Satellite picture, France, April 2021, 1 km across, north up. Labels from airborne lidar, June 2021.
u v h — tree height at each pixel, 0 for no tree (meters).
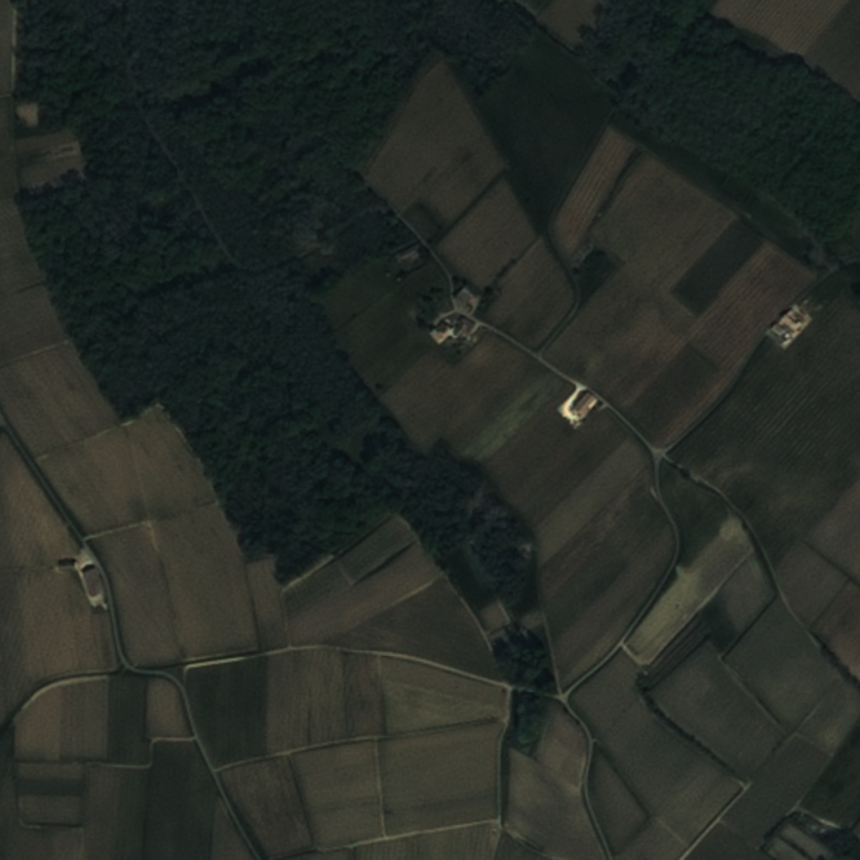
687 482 14
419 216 0
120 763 0
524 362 0
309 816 0
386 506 26
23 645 0
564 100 0
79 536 0
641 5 16
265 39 21
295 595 0
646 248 0
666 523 0
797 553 0
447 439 0
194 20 19
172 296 21
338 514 27
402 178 0
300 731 0
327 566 0
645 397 0
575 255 0
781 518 0
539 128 0
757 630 0
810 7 0
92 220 29
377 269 0
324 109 17
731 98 21
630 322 0
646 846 0
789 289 0
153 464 0
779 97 28
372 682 0
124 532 0
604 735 0
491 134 0
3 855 0
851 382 0
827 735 0
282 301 20
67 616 0
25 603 0
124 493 0
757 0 0
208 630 0
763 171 21
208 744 0
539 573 0
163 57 17
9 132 0
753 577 0
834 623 0
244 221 16
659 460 0
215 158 28
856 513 0
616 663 0
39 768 0
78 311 20
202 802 0
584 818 0
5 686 0
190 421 18
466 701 0
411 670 0
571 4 0
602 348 0
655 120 26
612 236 0
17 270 0
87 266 20
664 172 0
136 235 23
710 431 0
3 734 0
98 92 21
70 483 0
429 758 0
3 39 0
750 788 0
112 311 20
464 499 18
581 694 0
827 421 0
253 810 0
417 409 0
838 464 0
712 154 20
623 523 0
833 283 0
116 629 0
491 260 0
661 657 0
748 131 24
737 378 0
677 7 26
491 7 19
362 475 18
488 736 0
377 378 0
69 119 17
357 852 0
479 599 0
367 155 19
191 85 26
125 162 21
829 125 20
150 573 0
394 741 0
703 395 0
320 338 20
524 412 0
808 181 22
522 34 20
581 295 0
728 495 0
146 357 24
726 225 0
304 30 24
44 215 26
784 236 0
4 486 0
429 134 0
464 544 17
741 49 21
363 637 0
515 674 27
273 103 22
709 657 0
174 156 16
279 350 19
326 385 20
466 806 0
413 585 0
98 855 0
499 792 0
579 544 0
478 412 0
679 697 0
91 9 20
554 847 0
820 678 0
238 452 20
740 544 0
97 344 18
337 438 19
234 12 19
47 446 0
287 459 24
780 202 15
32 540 0
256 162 22
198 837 0
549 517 0
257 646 0
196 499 0
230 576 0
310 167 17
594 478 0
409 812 0
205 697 0
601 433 0
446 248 0
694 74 24
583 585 0
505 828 0
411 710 0
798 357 0
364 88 24
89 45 25
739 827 0
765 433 0
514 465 0
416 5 22
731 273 0
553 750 0
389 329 0
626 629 0
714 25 14
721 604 0
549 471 0
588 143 0
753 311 0
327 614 0
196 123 25
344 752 0
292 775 0
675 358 0
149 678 0
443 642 0
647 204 0
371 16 28
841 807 0
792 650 0
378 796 0
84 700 0
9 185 0
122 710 0
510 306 0
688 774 0
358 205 13
